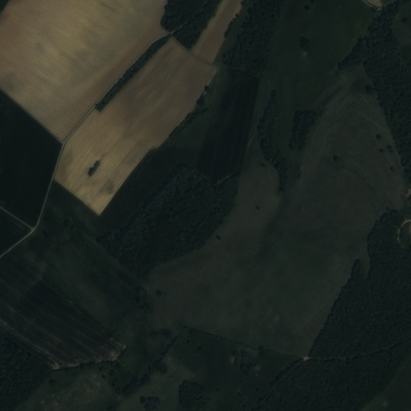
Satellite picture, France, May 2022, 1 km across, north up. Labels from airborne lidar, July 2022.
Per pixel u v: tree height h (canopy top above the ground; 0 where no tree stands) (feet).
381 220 42
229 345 0
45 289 0
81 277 0
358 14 0
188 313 0
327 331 42
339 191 0
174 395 0
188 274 0
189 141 0
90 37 0
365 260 0
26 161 0
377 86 57
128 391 54
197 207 62
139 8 0
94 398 0
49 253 0
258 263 0
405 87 59
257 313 0
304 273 0
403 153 47
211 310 0
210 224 38
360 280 46
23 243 0
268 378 0
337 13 0
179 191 80
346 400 54
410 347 58
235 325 0
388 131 0
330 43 0
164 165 0
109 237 70
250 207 0
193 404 80
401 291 52
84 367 51
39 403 0
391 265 57
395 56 61
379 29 69
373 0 0
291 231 0
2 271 0
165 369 46
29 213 0
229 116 0
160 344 0
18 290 0
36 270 0
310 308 0
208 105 0
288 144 0
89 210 0
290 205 0
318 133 0
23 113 0
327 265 0
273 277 0
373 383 63
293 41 0
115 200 0
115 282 0
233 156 0
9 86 0
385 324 51
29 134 0
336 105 0
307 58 0
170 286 0
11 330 0
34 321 0
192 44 36
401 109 72
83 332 0
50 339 0
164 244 48
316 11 0
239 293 0
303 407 43
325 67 0
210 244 0
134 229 87
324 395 39
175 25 57
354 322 42
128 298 0
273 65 0
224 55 30
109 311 0
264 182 0
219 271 0
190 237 40
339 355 31
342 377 52
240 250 0
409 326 44
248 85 0
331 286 0
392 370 61
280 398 23
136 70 34
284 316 0
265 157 28
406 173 44
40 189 0
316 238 0
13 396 69
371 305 26
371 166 0
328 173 0
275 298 0
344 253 0
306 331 0
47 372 54
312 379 45
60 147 0
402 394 0
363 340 43
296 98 0
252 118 0
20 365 79
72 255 0
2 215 0
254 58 52
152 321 0
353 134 0
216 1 56
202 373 0
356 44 0
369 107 0
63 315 0
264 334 0
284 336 0
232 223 0
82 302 0
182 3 76
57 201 0
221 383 0
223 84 0
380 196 0
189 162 0
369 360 58
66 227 51
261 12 54
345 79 0
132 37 0
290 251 0
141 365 0
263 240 0
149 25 0
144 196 0
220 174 0
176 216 70
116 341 0
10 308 0
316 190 0
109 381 0
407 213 0
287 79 0
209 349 0
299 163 0
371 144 0
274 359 0
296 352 0
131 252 86
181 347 0
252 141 0
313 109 0
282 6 52
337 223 0
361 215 0
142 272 61
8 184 0
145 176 0
